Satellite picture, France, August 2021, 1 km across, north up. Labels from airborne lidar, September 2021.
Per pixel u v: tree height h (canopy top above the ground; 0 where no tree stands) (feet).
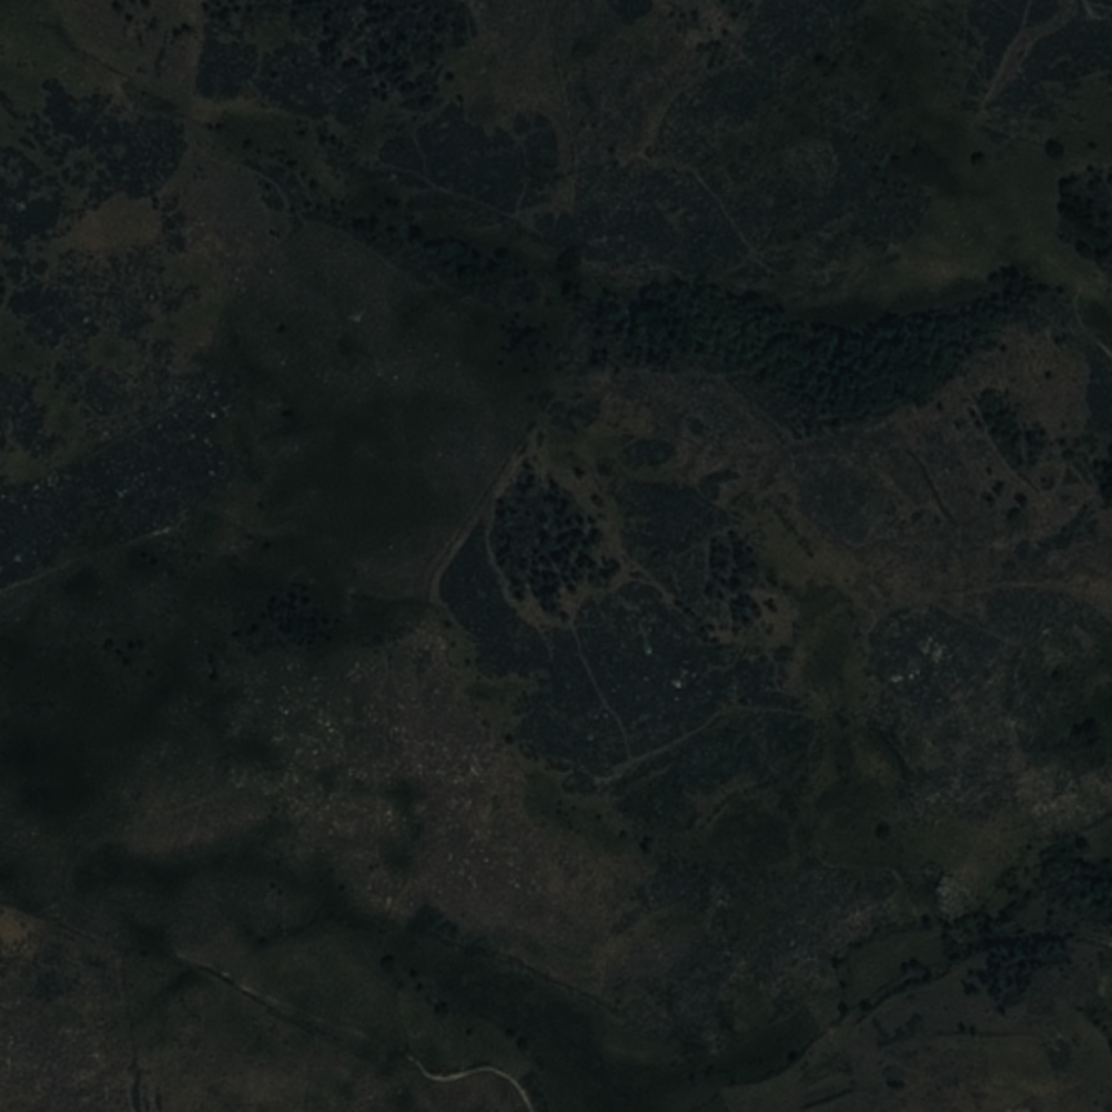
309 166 0
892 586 0
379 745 0
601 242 0
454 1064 0
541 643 0
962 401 0
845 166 0
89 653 0
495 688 0
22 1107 0
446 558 0
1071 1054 0
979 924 19
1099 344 0
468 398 0
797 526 0
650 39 0
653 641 0
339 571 0
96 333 0
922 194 0
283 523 0
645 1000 0
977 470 0
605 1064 0
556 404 0
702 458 0
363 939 0
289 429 0
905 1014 0
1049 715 0
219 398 0
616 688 0
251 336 0
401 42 31
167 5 0
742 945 0
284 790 0
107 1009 0
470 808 0
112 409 0
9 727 0
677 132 0
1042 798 0
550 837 0
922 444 0
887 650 0
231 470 0
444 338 0
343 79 0
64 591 0
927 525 0
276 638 0
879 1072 0
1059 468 0
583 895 0
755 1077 0
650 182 0
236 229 0
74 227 0
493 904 0
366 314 0
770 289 0
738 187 0
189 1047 0
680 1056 0
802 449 0
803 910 0
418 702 0
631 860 0
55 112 0
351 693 0
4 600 0
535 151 0
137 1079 0
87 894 0
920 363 24
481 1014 0
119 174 0
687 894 0
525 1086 0
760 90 0
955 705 0
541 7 0
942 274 0
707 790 0
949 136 0
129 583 0
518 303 0
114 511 0
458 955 0
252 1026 0
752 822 0
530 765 0
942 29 0
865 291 0
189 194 0
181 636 0
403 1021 0
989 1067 0
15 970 0
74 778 0
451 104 0
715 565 34
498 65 0
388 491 0
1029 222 0
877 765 0
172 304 0
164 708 0
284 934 0
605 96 0
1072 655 0
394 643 0
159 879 0
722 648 28
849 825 0
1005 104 0
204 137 0
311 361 0
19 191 0
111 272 0
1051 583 0
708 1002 0
